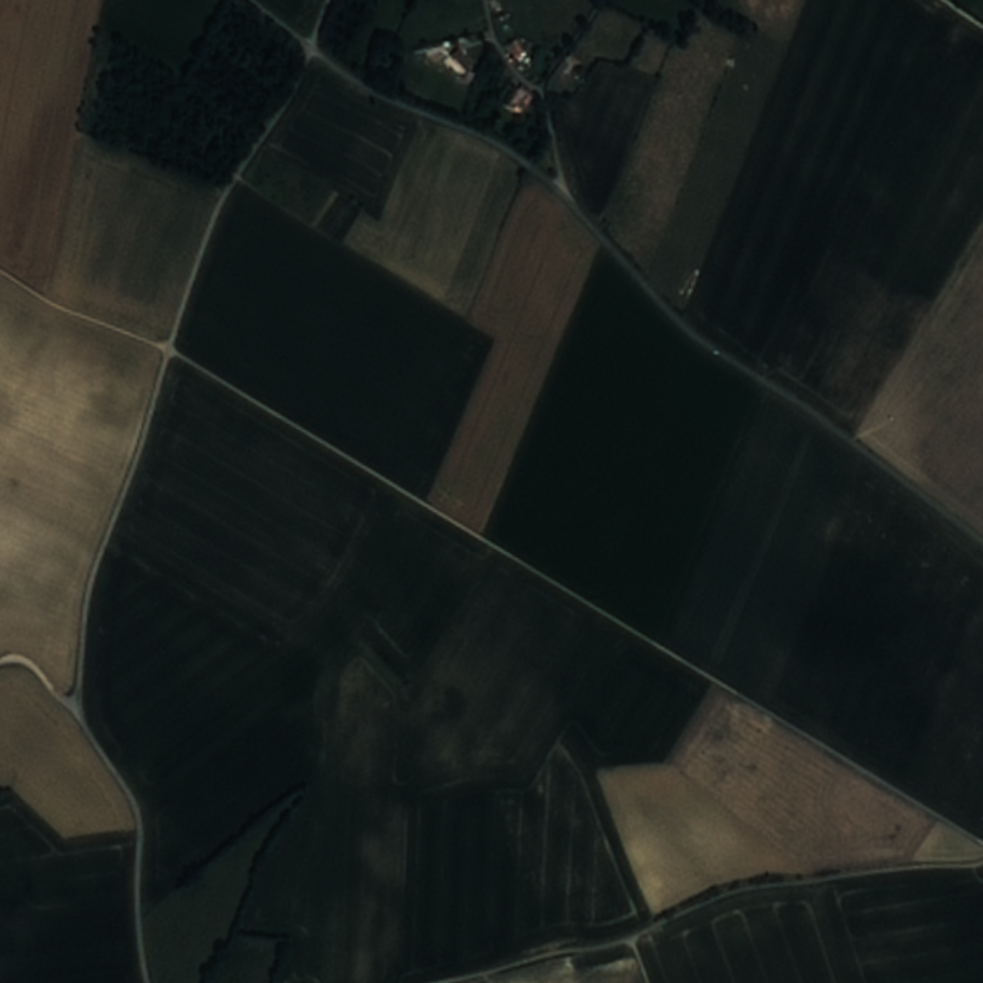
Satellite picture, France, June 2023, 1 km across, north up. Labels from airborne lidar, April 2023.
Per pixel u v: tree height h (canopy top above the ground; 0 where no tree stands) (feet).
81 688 0
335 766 0
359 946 0
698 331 0
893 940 0
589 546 0
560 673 0
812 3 0
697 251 0
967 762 0
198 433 0
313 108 0
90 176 0
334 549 0
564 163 0
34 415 0
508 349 0
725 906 0
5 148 0
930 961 0
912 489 0
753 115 0
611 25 0
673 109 0
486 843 0
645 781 0
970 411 0
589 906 0
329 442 0
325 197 0
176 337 0
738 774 0
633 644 0
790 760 0
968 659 0
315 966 0
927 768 0
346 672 0
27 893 0
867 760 0
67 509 0
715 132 0
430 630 0
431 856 0
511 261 0
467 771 0
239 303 0
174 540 0
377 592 0
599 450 0
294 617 0
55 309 0
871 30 0
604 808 0
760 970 0
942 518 0
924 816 0
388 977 0
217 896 0
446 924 0
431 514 0
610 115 0
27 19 0
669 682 0
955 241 0
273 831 24
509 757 0
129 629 0
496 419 0
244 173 0
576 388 0
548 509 0
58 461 0
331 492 0
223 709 0
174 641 0
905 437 0
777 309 0
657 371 0
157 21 0
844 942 0
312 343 0
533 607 0
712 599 0
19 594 0
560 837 0
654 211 0
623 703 0
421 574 0
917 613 0
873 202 0
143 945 0
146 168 0
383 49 62
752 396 0
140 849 0
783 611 0
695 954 0
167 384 0
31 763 0
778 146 0
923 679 0
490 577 0
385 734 0
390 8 0
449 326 0
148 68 35
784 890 0
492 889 0
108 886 0
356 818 0
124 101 22
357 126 0
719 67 0
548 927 0
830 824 0
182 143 48
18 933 0
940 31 0
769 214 0
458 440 0
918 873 0
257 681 0
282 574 0
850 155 0
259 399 0
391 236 0
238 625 0
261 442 0
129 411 0
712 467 0
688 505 0
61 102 0
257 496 0
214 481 0
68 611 0
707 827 0
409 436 0
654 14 0
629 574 0
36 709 0
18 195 0
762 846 0
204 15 0
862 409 0
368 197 0
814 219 0
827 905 0
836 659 0
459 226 0
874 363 0
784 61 0
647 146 0
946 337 0
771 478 0
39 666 0
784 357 0
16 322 0
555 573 0
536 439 0
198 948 0
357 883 0
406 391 0
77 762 0
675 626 0
